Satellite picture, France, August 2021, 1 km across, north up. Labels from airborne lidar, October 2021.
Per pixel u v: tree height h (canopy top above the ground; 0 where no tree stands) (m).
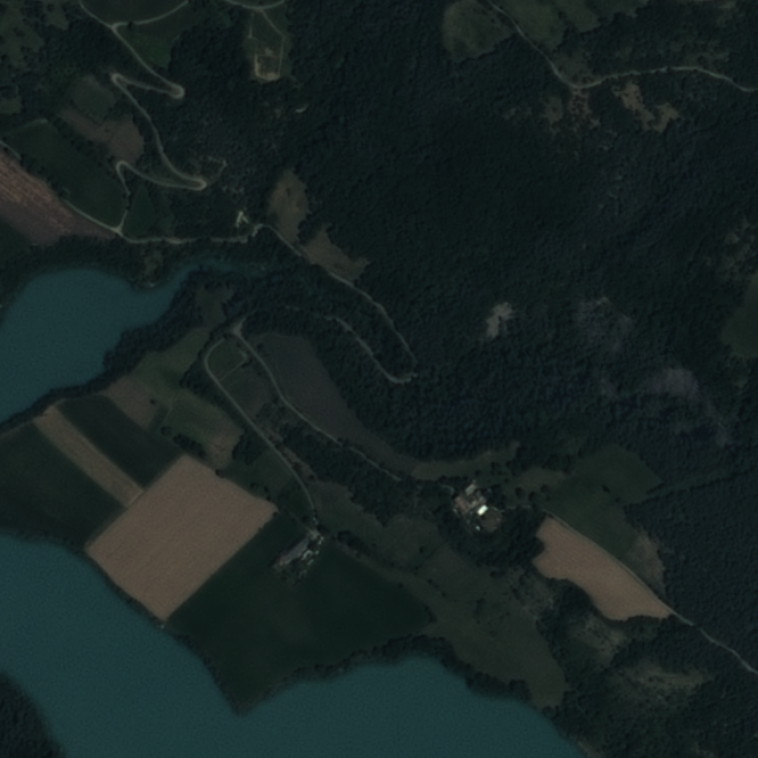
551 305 13
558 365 11
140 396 0
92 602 0
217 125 12
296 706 0
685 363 10
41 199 0
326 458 12
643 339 8
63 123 12
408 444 12
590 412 15
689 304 10
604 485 0
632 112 10
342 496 0
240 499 0
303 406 0
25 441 0
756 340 0
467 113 13
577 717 8
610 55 8
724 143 16
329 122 8
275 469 0
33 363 0
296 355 0
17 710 17
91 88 0
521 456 16
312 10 7
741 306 9
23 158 12
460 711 0
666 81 11
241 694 0
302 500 0
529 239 12
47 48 9
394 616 0
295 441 11
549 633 8
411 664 0
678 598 13
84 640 0
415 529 0
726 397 18
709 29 8
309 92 14
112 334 0
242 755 0
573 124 7
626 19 15
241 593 0
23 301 0
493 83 11
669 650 9
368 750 0
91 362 0
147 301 0
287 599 0
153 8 0
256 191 15
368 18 11
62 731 0
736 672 11
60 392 11
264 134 10
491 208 14
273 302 15
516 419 9
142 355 7
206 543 0
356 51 13
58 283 0
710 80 9
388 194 13
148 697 0
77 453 0
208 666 12
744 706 12
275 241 7
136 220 0
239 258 12
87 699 0
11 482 0
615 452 0
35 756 20
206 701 0
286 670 0
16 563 0
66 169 0
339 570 0
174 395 0
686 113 12
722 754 11
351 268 0
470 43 0
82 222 0
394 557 0
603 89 6
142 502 0
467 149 13
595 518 0
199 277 21
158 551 0
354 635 0
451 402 6
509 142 8
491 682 14
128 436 0
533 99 8
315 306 14
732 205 7
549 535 0
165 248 7
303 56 19
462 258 10
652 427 13
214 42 20
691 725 8
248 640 0
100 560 0
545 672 0
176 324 9
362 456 11
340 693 0
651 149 15
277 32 0
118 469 0
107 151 0
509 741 0
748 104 11
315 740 0
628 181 11
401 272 12
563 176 8
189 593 0
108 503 0
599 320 7
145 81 12
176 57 15
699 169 23
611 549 0
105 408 0
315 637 0
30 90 12
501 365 12
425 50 13
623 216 15
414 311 10
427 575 0
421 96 13
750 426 16
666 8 18
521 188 14
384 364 29
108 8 0
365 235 14
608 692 9
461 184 16
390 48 10
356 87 12
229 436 0
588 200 13
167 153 9
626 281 13
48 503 0
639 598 0
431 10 11
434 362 18
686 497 9
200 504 0
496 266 15
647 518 10
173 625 0
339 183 11
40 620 0
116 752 0
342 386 13
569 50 7
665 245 16
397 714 0
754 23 15
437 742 0
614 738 10
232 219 10
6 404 0
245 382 0
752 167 13
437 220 13
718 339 7
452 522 10
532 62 13
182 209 8
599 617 10
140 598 0
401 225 13
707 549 11
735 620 10
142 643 0
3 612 0
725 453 16
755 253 7
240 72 15
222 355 0
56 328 0
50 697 0
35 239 0
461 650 0
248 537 0
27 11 9
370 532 0
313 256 0
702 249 11
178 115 12
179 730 0
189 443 9
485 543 9
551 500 7
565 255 17
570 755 0
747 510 10
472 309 14
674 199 19
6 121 10
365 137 14
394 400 26
